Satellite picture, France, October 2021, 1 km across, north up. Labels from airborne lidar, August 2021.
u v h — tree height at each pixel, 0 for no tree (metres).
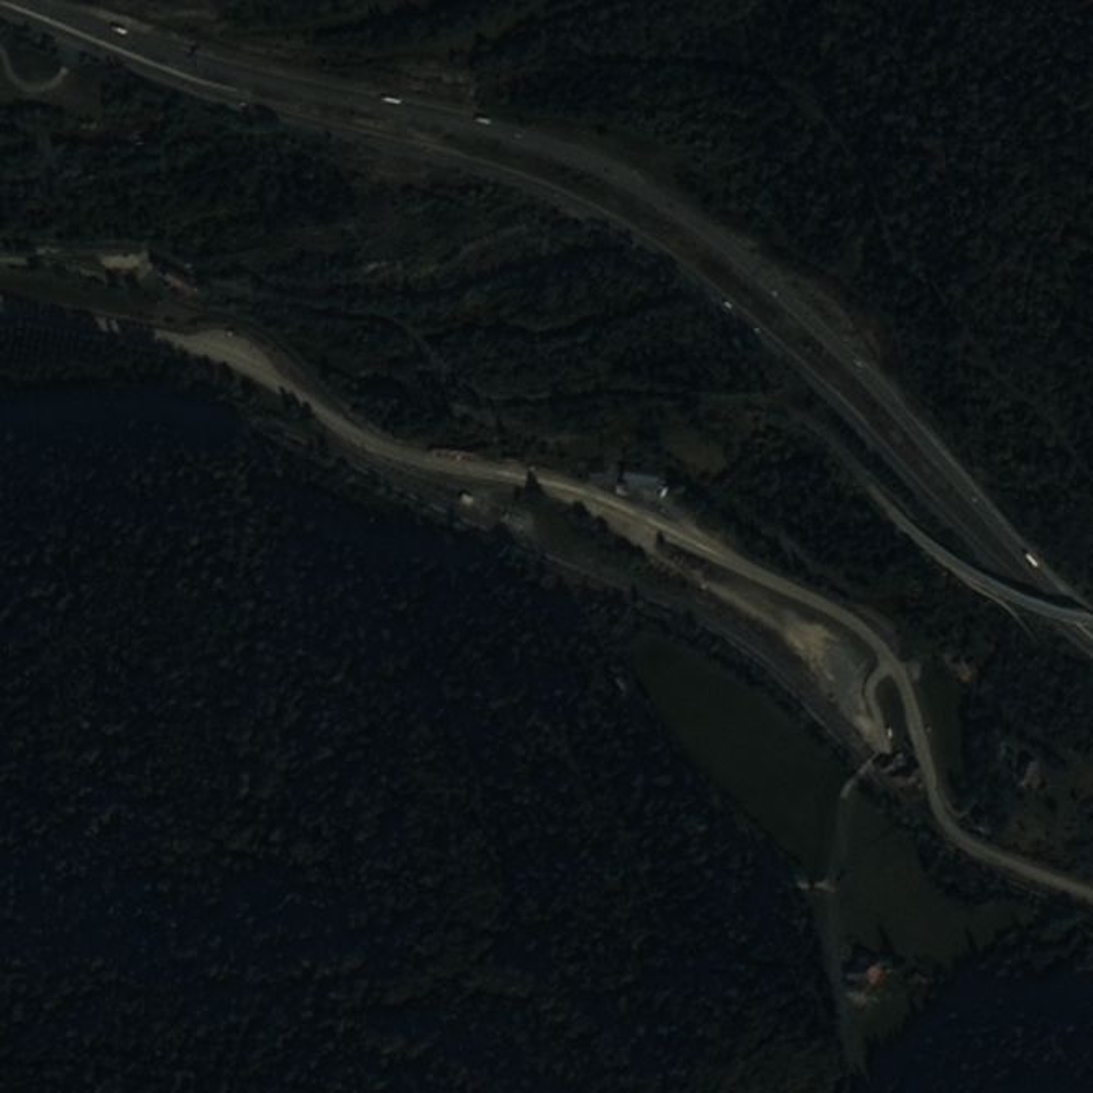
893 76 20
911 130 18
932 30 23
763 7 14
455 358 8
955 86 8
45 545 30
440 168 0
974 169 9
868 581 7
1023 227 14
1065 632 0
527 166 0
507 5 19
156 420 7
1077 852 11
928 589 11
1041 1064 17
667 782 23
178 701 9
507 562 17
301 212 23
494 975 25
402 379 18
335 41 12
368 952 8
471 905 28
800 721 6
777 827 0
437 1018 7
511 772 28
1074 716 7
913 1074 8
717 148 12
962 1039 23
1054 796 0
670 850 9
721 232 0
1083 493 13
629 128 7
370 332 14
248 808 15
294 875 6
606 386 15
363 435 0
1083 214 21
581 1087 10
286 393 0
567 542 0
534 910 17
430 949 26
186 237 12
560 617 8
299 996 15
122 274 0
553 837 7
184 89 0
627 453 6
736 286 0
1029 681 5
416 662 9
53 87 0
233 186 28
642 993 12
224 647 10
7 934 24
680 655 0
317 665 21
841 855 0
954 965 0
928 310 19
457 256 7
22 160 12
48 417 6
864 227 19
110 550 13
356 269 10
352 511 9
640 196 0
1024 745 7
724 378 10
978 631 17
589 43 13
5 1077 12
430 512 11
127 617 8
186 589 13
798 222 12
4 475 29
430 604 15
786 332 0
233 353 0
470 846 26
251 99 0
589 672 7
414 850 30
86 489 14
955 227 27
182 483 11
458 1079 25
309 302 14
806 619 0
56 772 21
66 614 9
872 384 0
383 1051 24
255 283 8
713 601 0
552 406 11
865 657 0
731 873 6
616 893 13
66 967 24
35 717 21
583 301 13
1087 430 16
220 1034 24
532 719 25
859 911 0
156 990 28
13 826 12
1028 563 0
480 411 21
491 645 13
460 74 0
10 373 21
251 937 19
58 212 27
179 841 12
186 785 10
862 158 17
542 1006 22
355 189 6
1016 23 19
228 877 15
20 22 0
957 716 0
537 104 29
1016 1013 28
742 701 0
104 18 0
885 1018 0
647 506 0
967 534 0
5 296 0
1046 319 9
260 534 13
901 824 10
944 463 0
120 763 13
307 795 31
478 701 8
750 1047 20
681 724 0
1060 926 18
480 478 0
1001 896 12
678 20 13
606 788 7
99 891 26
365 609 24
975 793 14
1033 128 22
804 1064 17
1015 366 10
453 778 8
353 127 0
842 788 0
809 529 9
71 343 22
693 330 11
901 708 0
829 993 19
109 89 6
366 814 28
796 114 12
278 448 9
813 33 29
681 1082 19
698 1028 26
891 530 13
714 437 8
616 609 15
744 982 19
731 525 14
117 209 22
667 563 0
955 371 14
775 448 13
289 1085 13
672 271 7
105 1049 10
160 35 0
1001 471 9
